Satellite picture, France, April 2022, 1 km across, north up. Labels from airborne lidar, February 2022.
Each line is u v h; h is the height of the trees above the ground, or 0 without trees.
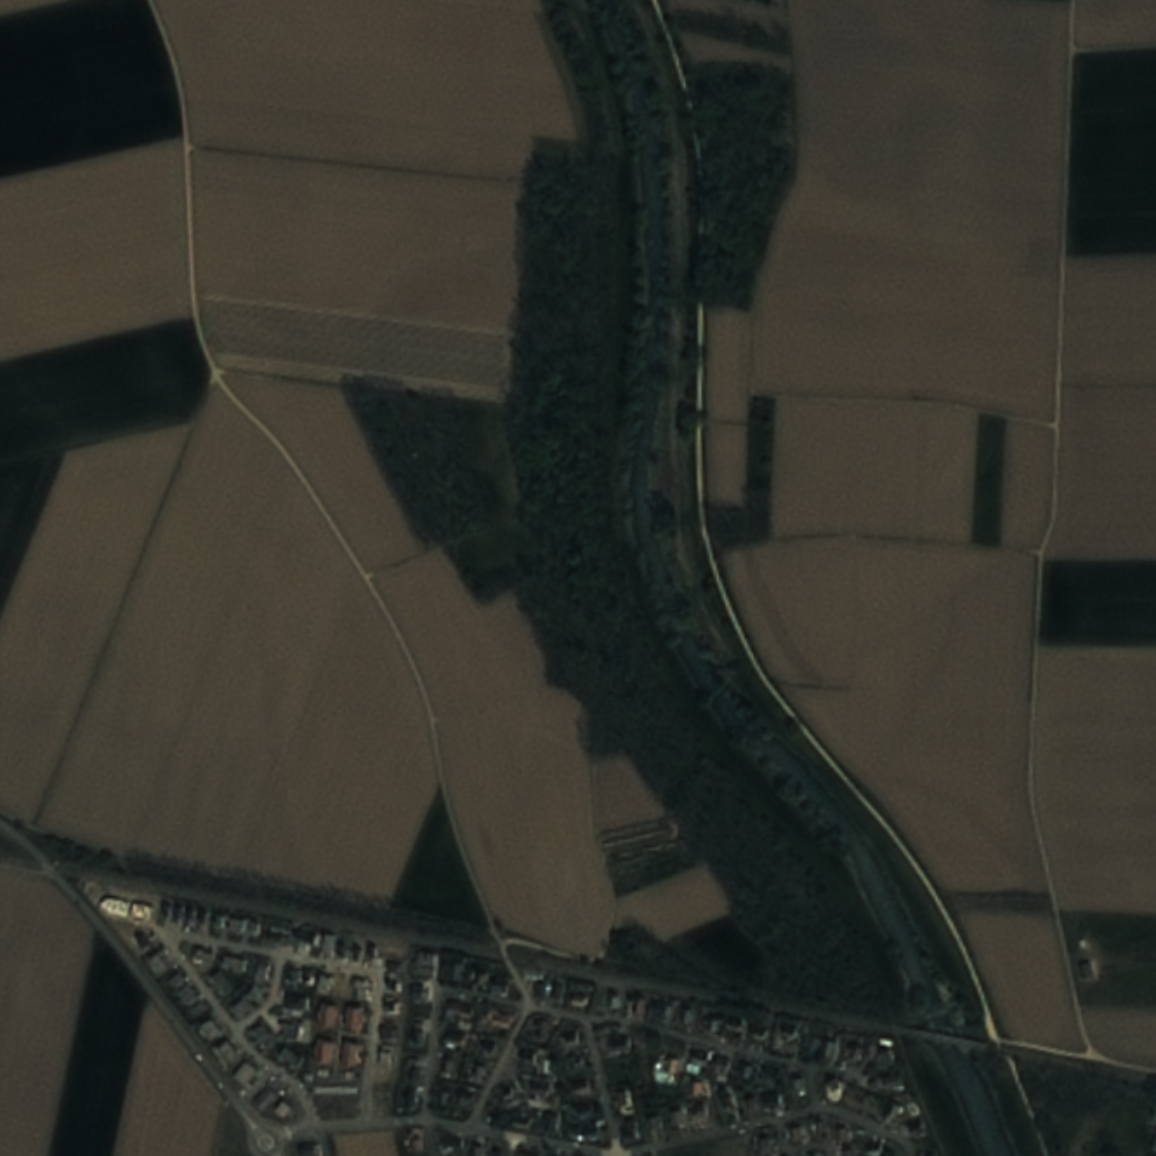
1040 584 0
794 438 0
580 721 0
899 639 0
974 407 0
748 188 23
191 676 0
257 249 0
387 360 0
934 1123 0
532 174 11
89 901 0
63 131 0
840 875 0
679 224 0
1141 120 0
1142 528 0
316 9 0
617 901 0
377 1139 0
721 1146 0
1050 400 0
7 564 0
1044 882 0
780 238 0
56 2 0
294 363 0
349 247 0
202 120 0
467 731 0
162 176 0
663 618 10
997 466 0
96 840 0
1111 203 0
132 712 0
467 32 0
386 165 0
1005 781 0
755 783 0
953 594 0
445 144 0
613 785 0
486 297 0
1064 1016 0
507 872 0
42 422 0
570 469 25
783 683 0
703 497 0
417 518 18
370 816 0
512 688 0
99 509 0
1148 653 0
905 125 0
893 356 0
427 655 0
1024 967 0
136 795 0
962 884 0
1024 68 0
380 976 0
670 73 0
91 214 0
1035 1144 0
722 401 0
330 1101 0
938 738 0
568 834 0
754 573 0
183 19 0
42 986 0
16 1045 0
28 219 0
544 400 26
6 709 0
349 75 0
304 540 0
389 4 0
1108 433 0
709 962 0
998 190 0
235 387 0
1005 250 0
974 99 0
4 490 0
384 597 0
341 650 0
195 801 0
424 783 0
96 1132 0
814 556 0
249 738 0
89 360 0
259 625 0
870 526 0
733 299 18
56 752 0
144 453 0
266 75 0
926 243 0
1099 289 0
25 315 0
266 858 0
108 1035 0
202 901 0
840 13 0
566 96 0
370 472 0
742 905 17
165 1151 0
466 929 17
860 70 0
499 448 0
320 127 0
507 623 0
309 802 0
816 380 0
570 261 17
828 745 0
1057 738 0
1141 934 0
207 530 0
